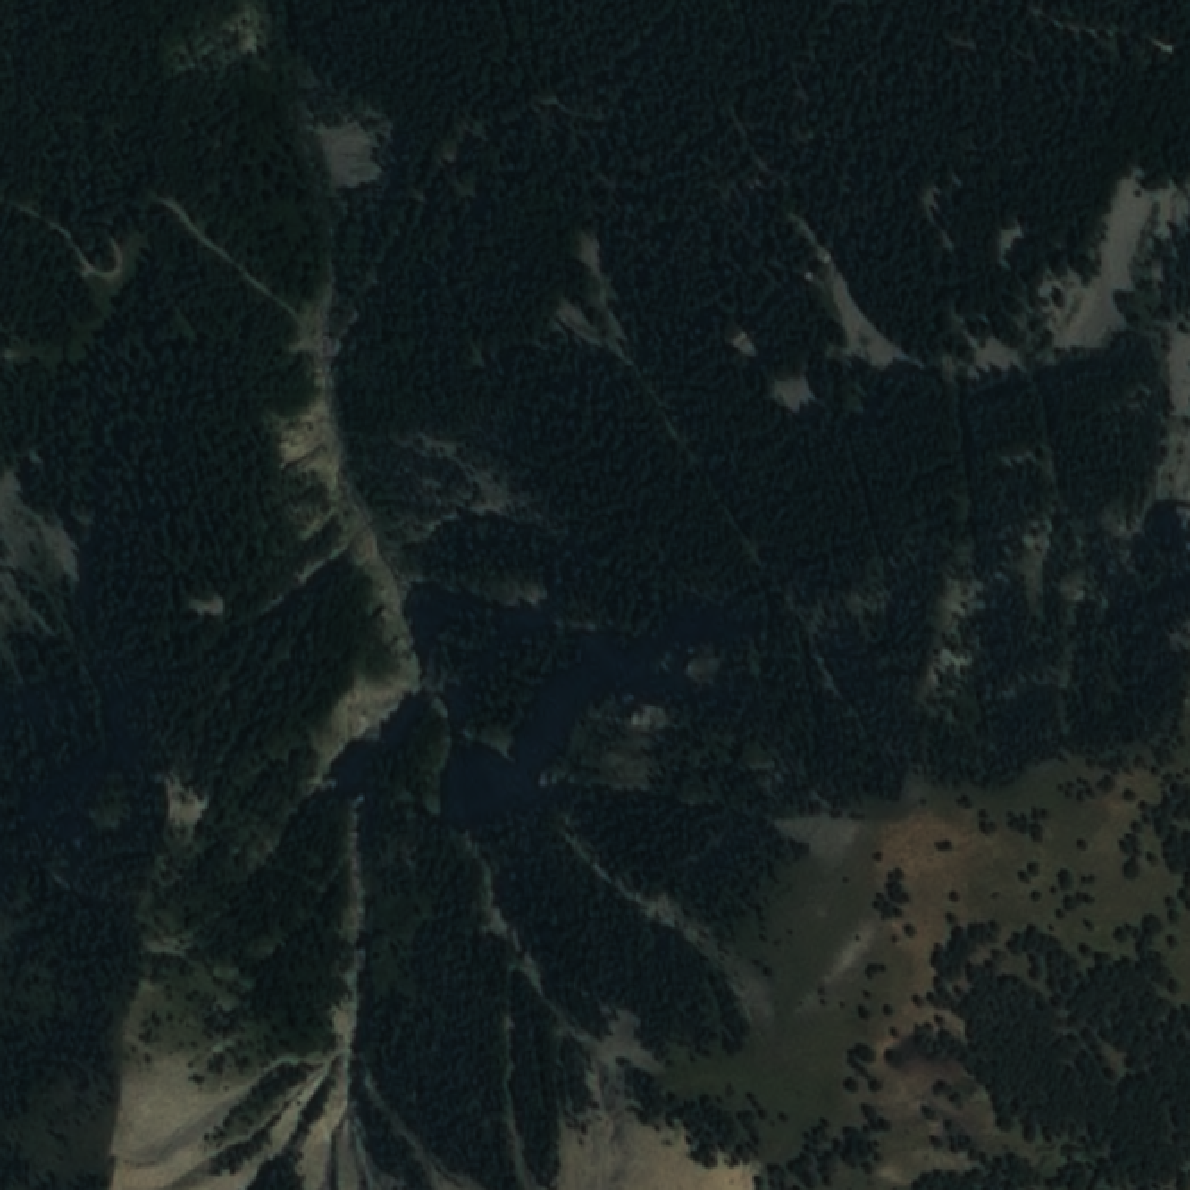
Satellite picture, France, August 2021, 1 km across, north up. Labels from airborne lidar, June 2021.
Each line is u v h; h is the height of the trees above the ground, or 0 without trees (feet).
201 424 45
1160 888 0
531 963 0
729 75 57
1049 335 22
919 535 25
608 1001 29
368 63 65
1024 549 27
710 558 42
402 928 0
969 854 0
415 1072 27
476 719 24
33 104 61
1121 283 0
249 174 74
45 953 26
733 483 46
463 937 25
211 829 24
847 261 69
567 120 68
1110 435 25
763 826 26
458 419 33
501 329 67
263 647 37
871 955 0
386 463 18
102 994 29
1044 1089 77
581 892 37
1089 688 28
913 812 0
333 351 0
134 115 47
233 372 68
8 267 72
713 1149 23
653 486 64
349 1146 0
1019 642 26
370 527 0
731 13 61
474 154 60
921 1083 0
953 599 0
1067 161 66
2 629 0
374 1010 19
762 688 35
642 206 83
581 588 63
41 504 46
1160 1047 72
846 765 40
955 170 33
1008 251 0
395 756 40
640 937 39
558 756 29
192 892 20
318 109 31
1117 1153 40
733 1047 27
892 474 41
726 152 78
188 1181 0
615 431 42
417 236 38
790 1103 0
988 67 74
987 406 38
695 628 36
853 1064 36
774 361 71
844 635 21
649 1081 26
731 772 32
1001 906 0
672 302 69
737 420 49
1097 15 71
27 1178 22
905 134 72
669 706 19
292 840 23
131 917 21
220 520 35
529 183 67
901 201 81
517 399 43
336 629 36
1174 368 0
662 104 55
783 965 0
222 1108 0
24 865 20
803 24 61
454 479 26
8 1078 24
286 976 23
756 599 30
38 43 70
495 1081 20
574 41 76
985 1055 67
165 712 43
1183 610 21
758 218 68
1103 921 0
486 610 81
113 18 68
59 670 51
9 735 20
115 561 53
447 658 19
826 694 26
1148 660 21
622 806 33
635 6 79
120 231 31
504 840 22
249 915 34
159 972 24
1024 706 21
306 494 25
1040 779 0
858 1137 44
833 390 56
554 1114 26
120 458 80
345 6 69
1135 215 0
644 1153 0
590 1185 0
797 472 52
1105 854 0
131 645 63
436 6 65
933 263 70
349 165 0
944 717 20
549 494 64
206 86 60
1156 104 53
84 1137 0
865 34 71
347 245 40
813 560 25
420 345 40
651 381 21
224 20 31
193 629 33
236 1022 37
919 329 71
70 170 87
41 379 28
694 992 22
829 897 0
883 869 0
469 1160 23
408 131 56
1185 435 0
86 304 81
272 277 37
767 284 78
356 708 0
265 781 39
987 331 54
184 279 29
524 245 74
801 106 58
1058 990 59
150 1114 0
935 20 64
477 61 67
